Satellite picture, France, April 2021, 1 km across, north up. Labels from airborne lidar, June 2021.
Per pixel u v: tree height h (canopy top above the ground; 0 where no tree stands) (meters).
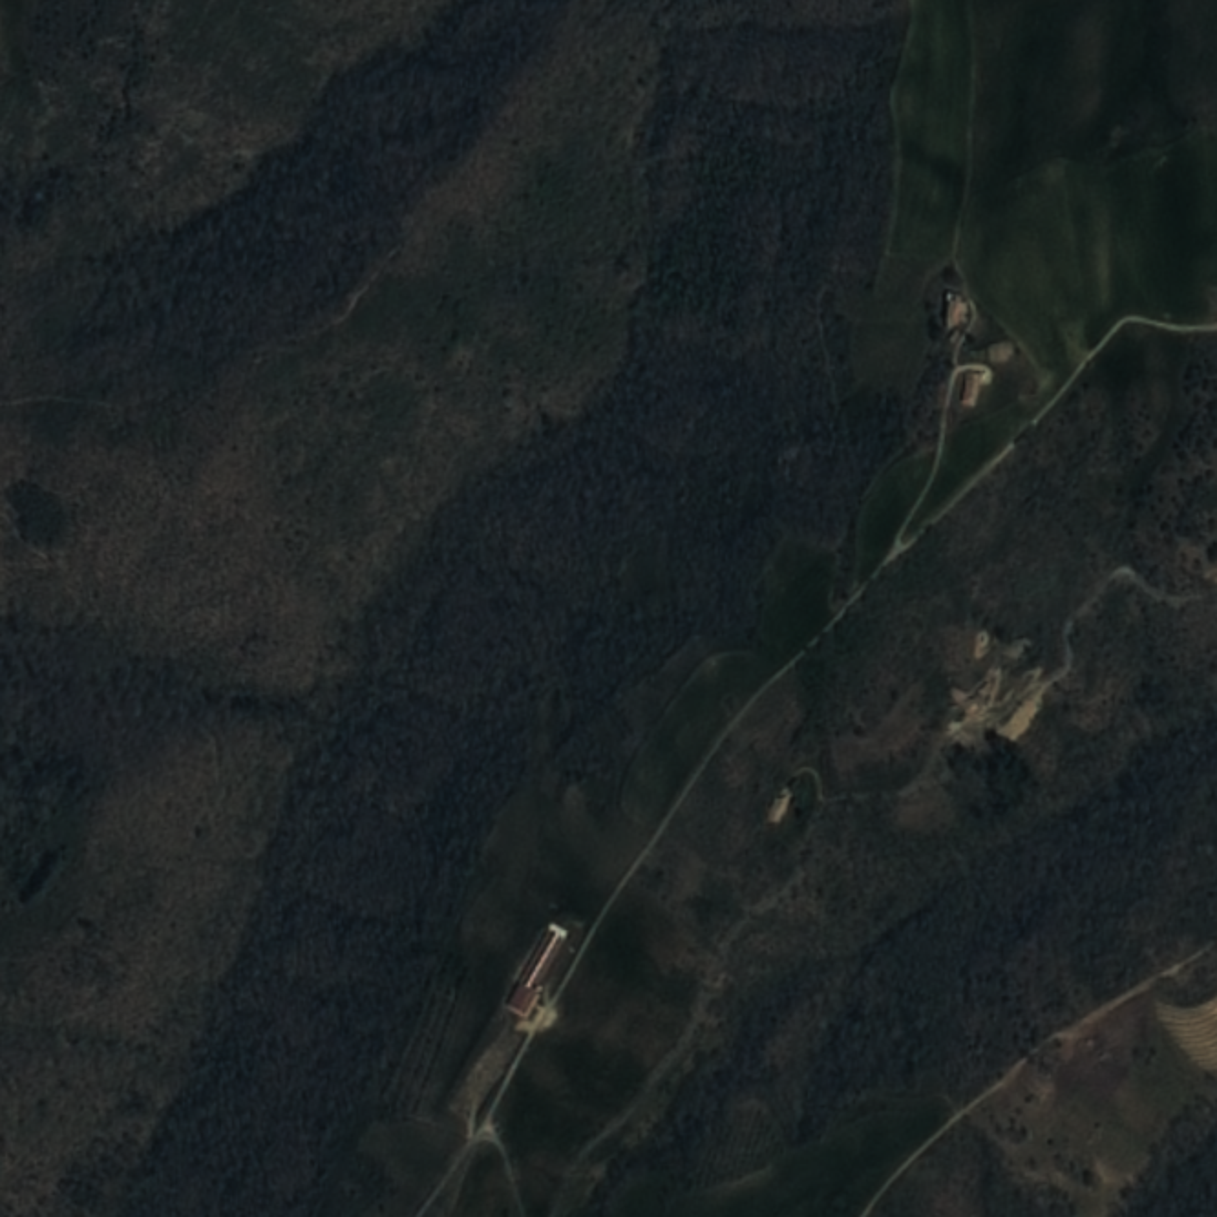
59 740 18
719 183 6
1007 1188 11
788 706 0
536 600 11
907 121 0
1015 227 0
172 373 8
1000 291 0
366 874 8
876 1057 12
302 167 11
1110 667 7
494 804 8
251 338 6
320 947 8
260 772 11
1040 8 0
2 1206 9
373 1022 13
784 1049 12
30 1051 11
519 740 6
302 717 15
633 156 9
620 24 7
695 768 0
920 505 0
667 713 0
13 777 12
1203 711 23
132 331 14
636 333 14
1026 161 0
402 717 11
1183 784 18
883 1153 0
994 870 18
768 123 7
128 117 7
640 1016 0
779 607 0
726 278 9
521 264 7
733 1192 0
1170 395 0
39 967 8
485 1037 0
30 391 7
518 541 6
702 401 10
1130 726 18
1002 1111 0
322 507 12
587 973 0
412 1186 0
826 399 17
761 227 8
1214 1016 0
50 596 10
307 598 6
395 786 10
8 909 6
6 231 10
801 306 8
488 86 14
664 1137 21
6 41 0
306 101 11
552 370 5
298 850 17
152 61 7
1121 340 0
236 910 9
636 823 0
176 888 9
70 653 18
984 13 0
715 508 19
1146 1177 12
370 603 14
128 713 15
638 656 8
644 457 23
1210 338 0
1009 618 9
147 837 8
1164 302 0
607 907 0
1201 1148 22
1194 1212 10
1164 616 11
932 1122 0
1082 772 15
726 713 0
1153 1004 0
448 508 11
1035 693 0
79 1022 6
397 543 9
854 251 11
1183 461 9
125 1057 8
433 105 9
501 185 7
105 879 7
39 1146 12
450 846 12
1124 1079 0
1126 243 0
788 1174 0
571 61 7
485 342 6
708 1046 0
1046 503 6
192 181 9
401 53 20
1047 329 0
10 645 13
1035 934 10
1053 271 0
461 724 13
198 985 13
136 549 5
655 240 11
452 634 9
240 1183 9
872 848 12
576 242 8
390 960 8
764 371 12
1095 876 15
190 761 10
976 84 0
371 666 15
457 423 8
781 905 7
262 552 9
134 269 13
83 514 10
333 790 13
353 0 5
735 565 17
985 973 11
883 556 0
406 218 6
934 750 9
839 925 14
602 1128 7
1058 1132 0
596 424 14
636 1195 0
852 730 8
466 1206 0
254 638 7
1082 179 0
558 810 0
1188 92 0
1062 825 21
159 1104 18
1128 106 0
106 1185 15
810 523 18
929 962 13
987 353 0
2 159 12
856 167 10
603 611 9
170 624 8
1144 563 8
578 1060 0
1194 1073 0
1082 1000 0
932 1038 12
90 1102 13
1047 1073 13
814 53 11
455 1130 0
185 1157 8
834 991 9
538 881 0
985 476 0
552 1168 0
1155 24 0
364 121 14
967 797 10
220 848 7
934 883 13
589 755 10
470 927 0
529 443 9
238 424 6
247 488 8
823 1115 10
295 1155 9
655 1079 0
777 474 20
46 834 8
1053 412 0
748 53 7
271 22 6
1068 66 0
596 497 9
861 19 6
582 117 7
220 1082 9
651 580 0
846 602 7
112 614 8
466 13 17
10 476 9
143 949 9
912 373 0
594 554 8
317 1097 6
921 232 0
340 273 7
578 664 15
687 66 12
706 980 7
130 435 8
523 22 9
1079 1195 0
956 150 0
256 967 10
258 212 11
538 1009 0
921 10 0
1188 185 0
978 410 0
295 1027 8
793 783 6
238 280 12
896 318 0
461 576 11
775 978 6
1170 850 8
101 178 7
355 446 11
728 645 0
